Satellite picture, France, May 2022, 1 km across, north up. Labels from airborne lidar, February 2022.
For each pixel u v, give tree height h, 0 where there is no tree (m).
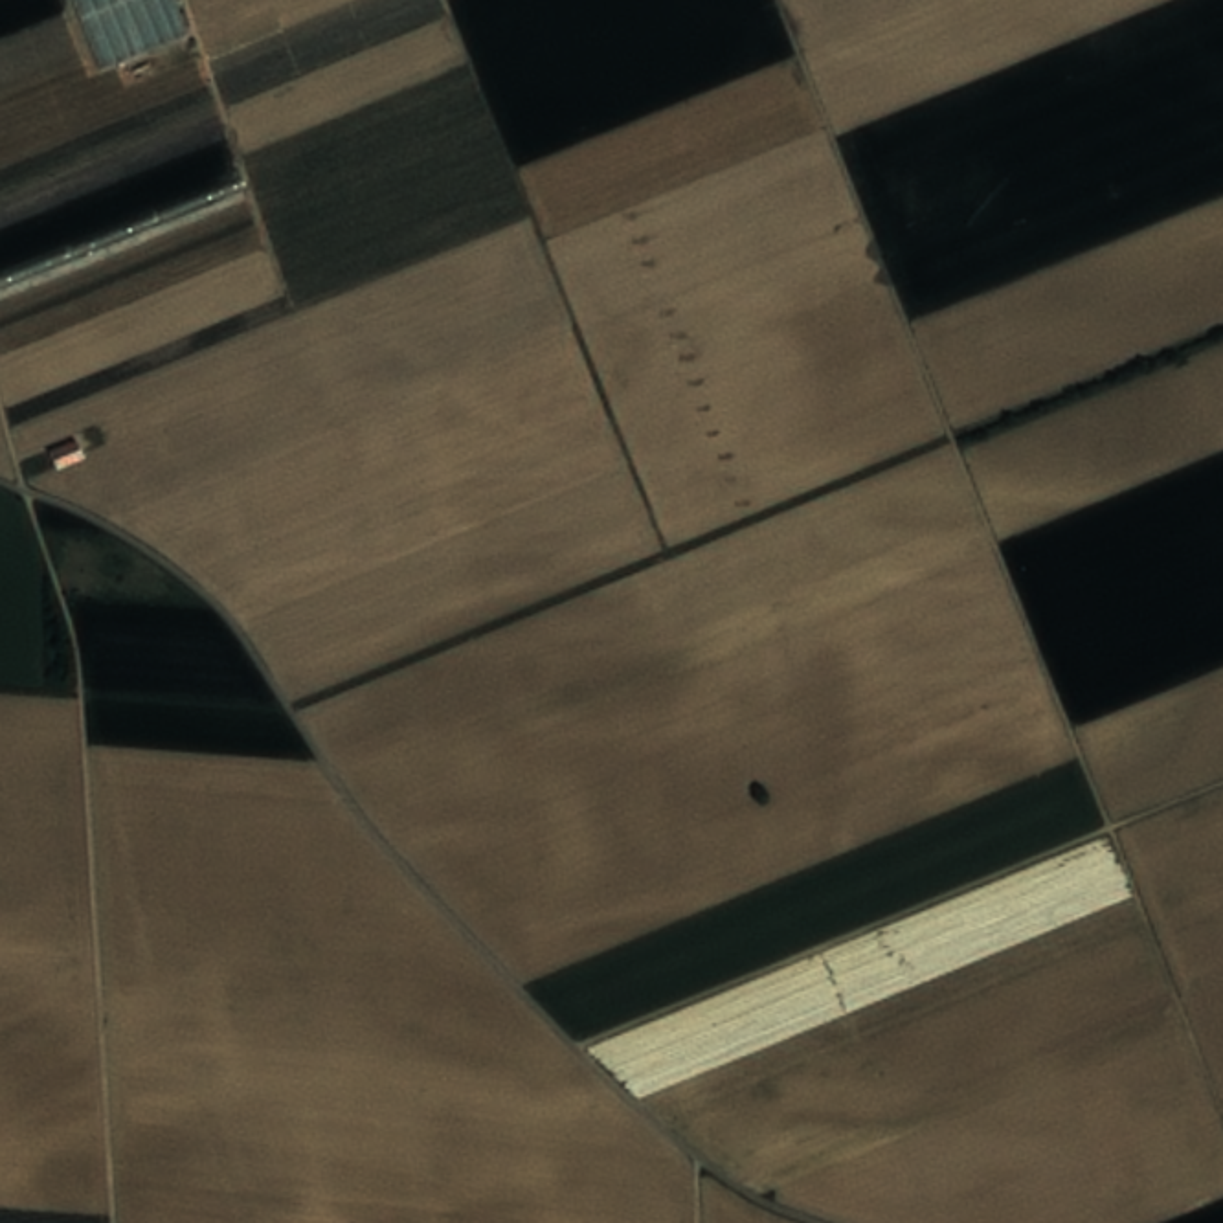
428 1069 0
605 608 0
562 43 0
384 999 0
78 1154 0
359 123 0
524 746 0
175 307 0
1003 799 0
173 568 0
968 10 0
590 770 0
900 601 0
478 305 0
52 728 0
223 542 0
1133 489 0
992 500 0
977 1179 0
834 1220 0
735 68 0
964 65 0
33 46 0
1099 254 0
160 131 0
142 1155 0
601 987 0
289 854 0
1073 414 0
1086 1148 0
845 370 0
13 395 0
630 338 0
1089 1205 0
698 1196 0
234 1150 0
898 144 0
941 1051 0
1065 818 0
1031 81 0
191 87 0
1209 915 0
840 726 0
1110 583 0
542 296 0
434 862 0
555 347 0
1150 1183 0
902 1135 0
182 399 0
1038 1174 0
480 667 0
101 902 0
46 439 0
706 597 0
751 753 0
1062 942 0
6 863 0
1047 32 0
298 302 0
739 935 0
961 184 0
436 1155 0
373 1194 0
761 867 0
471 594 0
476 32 0
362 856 0
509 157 0
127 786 0
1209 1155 0
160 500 0
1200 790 0
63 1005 0
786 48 0
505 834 0
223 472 0
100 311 0
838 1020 0
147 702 0
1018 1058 0
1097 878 0
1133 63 0
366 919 0
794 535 0
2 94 0
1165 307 0
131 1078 0
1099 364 0
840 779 0
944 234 0
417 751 0
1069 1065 0
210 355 0
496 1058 0
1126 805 0
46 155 0
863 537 0
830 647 0
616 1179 0
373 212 0
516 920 0
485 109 0
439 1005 0
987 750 0
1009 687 0
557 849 0
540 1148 0
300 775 0
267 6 0
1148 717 0
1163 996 0
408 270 0
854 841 0
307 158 0
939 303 0
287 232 0
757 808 0
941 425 0
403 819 0
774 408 0
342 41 0
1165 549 0
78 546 0
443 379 0
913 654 0
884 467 0
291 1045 0
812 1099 0
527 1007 0
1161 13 0
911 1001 0
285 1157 0
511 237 0
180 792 0
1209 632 0
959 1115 0
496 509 0
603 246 0
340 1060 0
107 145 0
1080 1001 0
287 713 0
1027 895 0
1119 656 0
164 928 0
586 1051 0
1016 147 0
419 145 0
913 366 0
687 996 0
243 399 0
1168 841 0
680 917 0
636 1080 0
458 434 0
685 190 0
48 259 0
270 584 0
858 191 0
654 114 0
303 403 0
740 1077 0
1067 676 0
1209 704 0
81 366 0
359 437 0
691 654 0
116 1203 0
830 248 0
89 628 0
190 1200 0
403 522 0
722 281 0
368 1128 0
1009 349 0
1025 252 0
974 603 0
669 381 0
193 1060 0
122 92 0
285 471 0
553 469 0
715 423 0
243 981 0
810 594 0
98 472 0
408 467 0
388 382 0
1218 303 0
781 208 0
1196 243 0
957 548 0
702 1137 0
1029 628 0
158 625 0
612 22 0
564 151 0
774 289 0
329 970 0
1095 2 0
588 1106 0
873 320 0
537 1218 0
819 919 0
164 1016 0
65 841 0
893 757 0
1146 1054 0
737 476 0
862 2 0
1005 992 0
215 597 0
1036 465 0
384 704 0
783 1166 0
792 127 0
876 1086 0
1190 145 0
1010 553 0
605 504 0
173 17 8
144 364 0
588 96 0
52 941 0
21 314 0
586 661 0
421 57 0
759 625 0
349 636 0
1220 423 0
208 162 0
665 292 0
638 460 0
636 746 0
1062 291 0
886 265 0
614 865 0
